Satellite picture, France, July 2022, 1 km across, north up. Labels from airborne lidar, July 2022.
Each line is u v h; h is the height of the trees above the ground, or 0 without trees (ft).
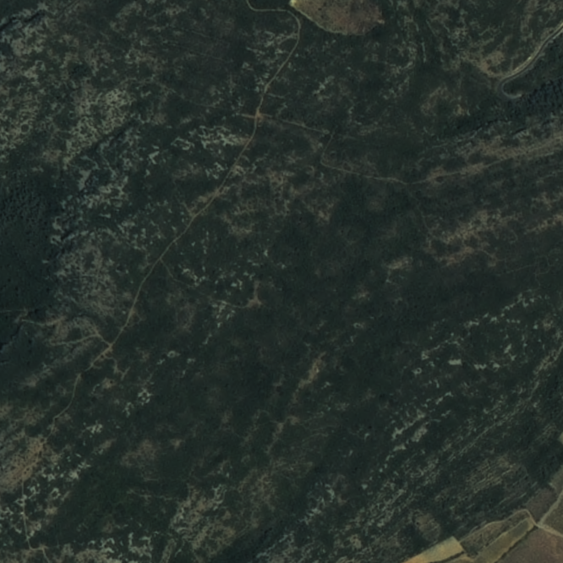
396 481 21
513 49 0
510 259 0
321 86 0
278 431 0
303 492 0
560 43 28
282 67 0
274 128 0
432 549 0
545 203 0
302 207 0
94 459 0
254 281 0
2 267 23
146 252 0
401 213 18
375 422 0
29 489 0
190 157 0
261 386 20
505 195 0
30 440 0
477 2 0
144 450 0
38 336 0
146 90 18
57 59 0
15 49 0
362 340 0
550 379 24
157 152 0
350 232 19
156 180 0
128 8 0
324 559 24
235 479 0
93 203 0
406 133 0
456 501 43
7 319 30
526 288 0
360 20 0
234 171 0
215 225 0
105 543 0
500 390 0
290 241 18
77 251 0
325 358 18
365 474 0
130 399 0
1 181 41
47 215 22
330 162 0
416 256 17
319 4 0
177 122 0
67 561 0
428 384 0
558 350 28
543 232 0
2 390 0
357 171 0
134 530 0
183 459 0
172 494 0
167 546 0
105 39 0
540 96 47
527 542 0
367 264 27
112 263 0
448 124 36
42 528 0
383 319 19
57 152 0
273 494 0
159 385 0
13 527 0
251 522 0
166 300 0
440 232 0
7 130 30
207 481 0
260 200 0
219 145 0
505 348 0
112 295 0
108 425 0
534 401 28
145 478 0
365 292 0
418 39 17
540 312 0
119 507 19
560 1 0
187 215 0
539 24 0
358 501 0
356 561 0
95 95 0
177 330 0
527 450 23
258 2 24
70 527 0
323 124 24
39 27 0
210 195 0
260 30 0
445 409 0
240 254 0
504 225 0
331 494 0
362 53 0
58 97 25
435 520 21
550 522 0
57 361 0
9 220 35
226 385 24
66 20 0
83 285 0
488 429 20
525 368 0
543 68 38
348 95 0
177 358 0
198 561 0
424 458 0
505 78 0
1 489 0
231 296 0
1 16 0
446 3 0
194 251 0
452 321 0
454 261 0
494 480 0
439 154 0
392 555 0
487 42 0
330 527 0
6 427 0
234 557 19
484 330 0
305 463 0
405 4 0
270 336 0
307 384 0
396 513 18
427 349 0
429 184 0
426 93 0
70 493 0
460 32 0
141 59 0
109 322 0
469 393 0
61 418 0
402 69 0
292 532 0
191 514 0
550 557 0
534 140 0
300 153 0
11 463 0
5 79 0
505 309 0
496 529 0
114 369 0
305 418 0
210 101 0
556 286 0
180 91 0
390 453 0
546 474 36
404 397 0
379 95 0
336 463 0
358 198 19
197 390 0
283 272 0
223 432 0
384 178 0
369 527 22
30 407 0
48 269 20
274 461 0
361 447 0
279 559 0
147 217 0
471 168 0
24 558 0
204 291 0
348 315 0
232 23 0
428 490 18
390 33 0
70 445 0
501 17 0
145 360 0
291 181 0
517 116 31
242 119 0
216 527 0
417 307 30
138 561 0
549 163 19
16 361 0
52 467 0
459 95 0
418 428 0
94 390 0
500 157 0
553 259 0
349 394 0
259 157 0
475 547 0
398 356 0
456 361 0
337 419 0
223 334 0
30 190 28
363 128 0
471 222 0
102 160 0
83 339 0
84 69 25
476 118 29
